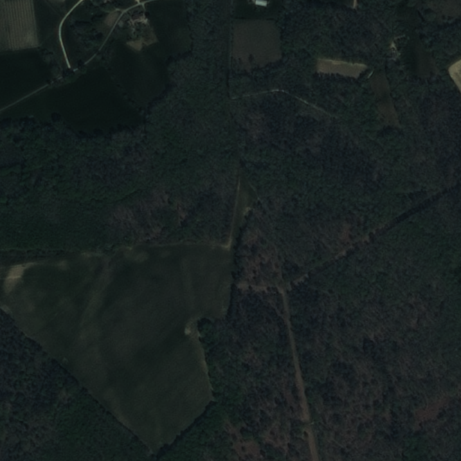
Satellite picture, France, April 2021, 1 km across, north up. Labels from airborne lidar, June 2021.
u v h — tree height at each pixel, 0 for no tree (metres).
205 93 20
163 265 0
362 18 16
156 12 0
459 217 13
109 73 10
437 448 20
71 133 20
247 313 20
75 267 0
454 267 23
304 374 17
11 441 8
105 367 0
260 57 0
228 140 19
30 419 14
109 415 11
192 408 0
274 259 16
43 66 0
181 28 0
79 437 14
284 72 25
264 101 12
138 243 7
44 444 10
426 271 22
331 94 21
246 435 16
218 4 7
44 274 0
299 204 23
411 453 25
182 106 21
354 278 21
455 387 23
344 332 15
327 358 18
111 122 0
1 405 16
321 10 28
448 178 22
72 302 0
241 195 0
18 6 0
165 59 0
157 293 0
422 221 23
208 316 0
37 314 0
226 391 21
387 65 8
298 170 27
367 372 14
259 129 7
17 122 10
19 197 21
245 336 25
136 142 16
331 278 20
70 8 0
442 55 19
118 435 13
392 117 0
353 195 23
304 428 15
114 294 0
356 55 23
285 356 14
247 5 0
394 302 21
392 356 18
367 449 9
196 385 0
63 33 0
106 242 17
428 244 24
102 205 16
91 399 10
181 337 0
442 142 15
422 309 15
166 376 0
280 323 19
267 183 20
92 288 0
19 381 11
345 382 12
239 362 18
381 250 19
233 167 23
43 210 20
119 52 0
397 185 24
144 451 12
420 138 21
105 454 13
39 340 0
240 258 16
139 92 0
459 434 19
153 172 18
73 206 16
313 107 16
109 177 22
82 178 19
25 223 16
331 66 0
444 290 18
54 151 22
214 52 11
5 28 0
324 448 17
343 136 15
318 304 18
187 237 10
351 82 19
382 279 16
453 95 21
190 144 23
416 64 0
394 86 20
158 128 24
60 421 14
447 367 19
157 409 0
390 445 12
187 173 20
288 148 19
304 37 15
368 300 18
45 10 0
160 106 23
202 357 0
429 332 18
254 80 16
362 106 23
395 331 13
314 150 9
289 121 7
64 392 14
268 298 20
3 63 0
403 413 21
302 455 10
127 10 0
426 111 23
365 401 12
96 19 8
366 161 9
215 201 23
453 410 14
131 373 0
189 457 19
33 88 0
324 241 14
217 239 21
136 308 0
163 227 8
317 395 19
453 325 21
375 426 13
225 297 0
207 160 24
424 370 20
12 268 0
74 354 0
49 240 15
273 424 12
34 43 0
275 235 19
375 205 20
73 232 16
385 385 14
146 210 16
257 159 23
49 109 0
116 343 0
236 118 17
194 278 0
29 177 23
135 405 0
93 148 21
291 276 21
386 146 25
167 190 13
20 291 0
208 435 20
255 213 13
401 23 13
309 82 22
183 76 17
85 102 0
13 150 16
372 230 18
